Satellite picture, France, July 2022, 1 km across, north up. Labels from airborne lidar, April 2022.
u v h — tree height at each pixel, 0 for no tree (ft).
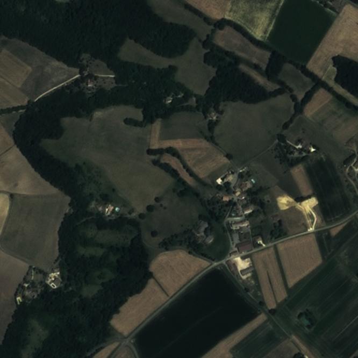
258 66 76
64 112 55
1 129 0
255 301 0
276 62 76
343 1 0
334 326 0
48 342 36
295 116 25
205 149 0
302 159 39
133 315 0
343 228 0
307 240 0
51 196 0
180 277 0
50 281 0
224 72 69
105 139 0
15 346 66
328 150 0
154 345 0
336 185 0
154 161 85
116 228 58
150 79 43
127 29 69
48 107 63
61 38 42
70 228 61
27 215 0
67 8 19
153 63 0
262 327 0
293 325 0
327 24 0
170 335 0
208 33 0
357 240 0
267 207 0
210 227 29
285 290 0
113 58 52
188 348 0
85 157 0
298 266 0
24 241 0
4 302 0
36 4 47
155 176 0
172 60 0
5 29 42
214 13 0
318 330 0
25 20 45
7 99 0
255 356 0
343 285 0
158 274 0
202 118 0
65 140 0
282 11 0
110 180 0
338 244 0
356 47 0
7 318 0
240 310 0
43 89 0
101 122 0
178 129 0
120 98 50
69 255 76
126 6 66
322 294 0
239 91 41
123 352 0
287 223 0
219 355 0
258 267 0
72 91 43
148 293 0
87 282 47
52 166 56
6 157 0
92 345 50
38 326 0
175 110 51
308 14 0
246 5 0
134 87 23
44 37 42
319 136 0
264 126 0
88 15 28
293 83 0
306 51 0
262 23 0
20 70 0
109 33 39
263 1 0
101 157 0
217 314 0
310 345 0
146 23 68
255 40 45
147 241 0
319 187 0
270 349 0
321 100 0
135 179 0
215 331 0
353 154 22
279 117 0
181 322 0
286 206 0
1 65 0
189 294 0
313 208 0
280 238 0
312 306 0
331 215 0
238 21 0
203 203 27
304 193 0
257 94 36
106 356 0
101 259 30
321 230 0
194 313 0
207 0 0
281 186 0
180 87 45
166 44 55
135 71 52
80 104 61
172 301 0
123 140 0
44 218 0
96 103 55
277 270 0
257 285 0
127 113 0
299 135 0
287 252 0
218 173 0
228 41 0
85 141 0
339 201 0
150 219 0
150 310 0
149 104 63
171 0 0
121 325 0
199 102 54
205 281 0
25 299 42
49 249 0
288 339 0
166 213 0
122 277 17
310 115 0
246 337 0
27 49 0
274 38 0
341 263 0
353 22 0
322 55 0
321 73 0
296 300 0
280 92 48
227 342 0
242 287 0
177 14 0
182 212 0
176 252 0
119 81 38
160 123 0
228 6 0
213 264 0
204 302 0
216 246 0
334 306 0
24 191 0
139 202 0
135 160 0
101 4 51
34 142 74
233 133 0
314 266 0
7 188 0
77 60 37
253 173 0
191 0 0
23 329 61
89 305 60
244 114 0
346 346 0
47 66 0
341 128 0
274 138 0
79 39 41
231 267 0
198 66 0
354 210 0
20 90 0
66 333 49
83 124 0
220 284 0
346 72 57
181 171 0
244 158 0
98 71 0
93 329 72
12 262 0
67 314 37
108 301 91
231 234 0
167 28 53
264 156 0
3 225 0
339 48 0
